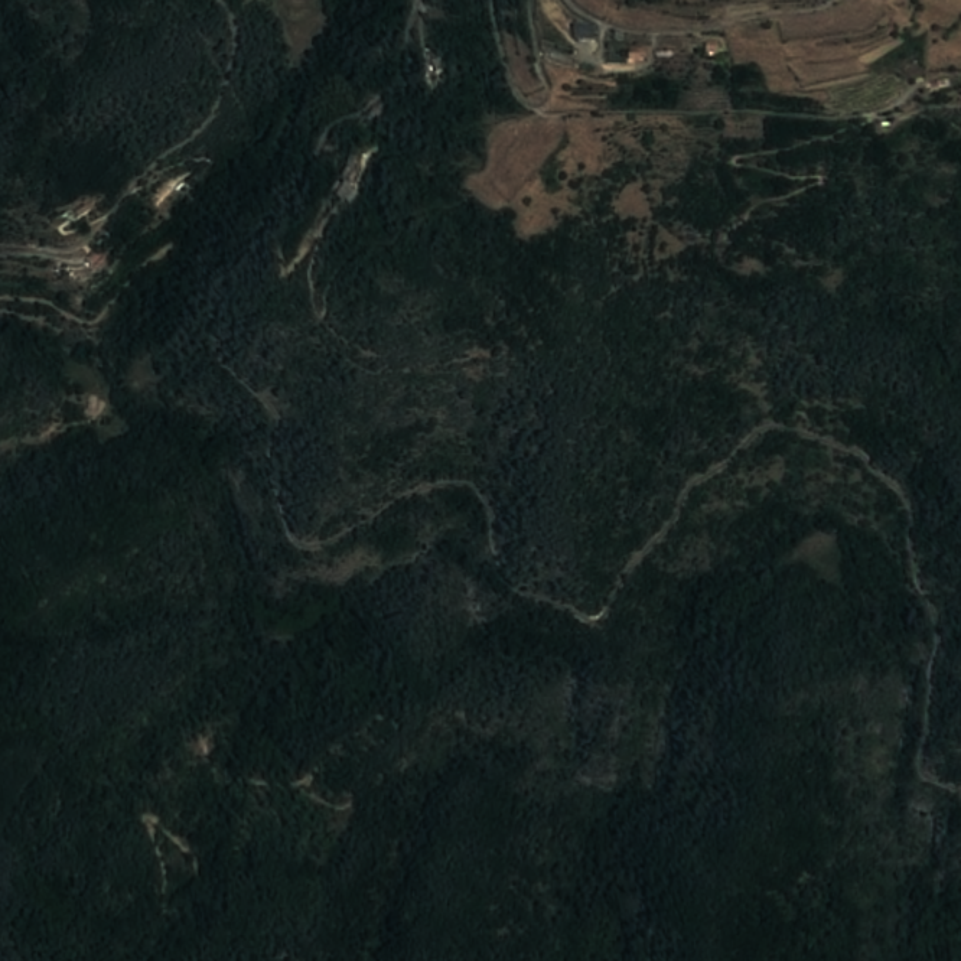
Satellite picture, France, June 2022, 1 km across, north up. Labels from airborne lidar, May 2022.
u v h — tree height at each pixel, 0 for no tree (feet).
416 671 40
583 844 19
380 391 21
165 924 49
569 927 51
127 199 31
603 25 0
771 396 26
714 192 22
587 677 36
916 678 32
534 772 23
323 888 41
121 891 55
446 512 19
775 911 59
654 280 38
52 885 24
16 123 44
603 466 77
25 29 48
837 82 0
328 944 55
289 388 22
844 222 51
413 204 54
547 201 0
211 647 21
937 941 44
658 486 52
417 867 48
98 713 50
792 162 30
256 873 51
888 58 0
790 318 57
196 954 61
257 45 60
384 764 50
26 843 53
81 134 33
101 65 45
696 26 0
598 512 39
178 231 28
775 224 31
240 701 58
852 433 28
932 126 31
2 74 35
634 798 42
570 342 22
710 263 26
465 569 22
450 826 62
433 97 46
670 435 52
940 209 30
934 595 26
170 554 47
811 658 52
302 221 73
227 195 31
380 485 21
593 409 31
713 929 49
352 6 86
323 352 31
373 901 47
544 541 52
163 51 46
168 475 27
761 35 0
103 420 30
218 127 27
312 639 65
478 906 39
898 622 22
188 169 22
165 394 39
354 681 39
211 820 67
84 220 25
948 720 32
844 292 21
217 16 58
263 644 78
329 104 48
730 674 31
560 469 52
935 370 44
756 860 51
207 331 27
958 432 28
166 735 46
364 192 26
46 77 26
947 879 45
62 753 52
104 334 18
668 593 35
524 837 65
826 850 39
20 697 45
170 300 57
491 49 22
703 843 39
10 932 43
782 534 51
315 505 53
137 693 30
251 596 45
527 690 65
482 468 22
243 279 44
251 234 32
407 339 26
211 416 19
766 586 34
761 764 41
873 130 22
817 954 73
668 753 25
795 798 45
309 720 31
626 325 38
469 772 64
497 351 31
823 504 24
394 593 51
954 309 26
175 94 52
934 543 41
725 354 25
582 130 0
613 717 35
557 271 27
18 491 59
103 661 49
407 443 19
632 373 28
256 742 50
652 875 49
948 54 0
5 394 46
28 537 23
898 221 50
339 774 44
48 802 56
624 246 26
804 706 24
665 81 33
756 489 19
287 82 60
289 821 55
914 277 31
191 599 25
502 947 46
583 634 19
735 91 26
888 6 0
